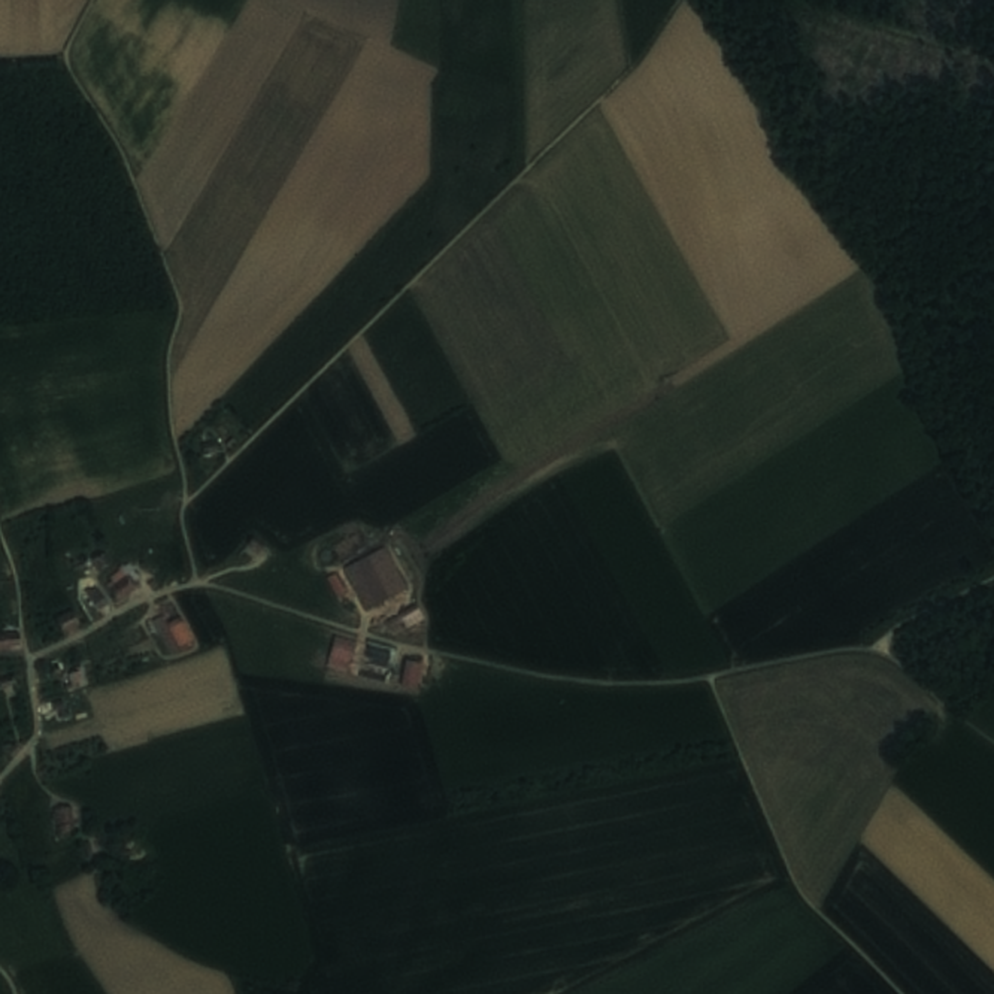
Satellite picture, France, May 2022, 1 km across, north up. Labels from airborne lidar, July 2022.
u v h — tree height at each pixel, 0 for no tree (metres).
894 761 21
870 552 0
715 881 0
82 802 0
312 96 0
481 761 0
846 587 0
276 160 0
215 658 0
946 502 0
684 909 0
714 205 0
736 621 0
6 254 15
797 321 0
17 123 15
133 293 16
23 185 15
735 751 0
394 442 0
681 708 0
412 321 0
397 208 0
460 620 0
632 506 0
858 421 0
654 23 0
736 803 0
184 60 0
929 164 20
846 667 0
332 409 0
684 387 0
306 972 0
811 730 0
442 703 0
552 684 0
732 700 0
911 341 25
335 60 0
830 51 0
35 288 16
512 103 0
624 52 0
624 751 0
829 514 0
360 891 0
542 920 0
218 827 0
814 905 0
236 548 0
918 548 0
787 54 28
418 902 0
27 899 0
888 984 0
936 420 25
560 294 0
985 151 23
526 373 0
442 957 0
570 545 0
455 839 0
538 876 0
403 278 0
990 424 22
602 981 0
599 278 0
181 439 6
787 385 0
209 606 0
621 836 0
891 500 0
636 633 0
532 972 0
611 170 0
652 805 0
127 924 15
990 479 25
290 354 0
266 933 0
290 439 0
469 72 0
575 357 0
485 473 0
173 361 0
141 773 0
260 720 0
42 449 0
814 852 0
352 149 0
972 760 0
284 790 0
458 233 0
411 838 0
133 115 0
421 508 0
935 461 0
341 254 0
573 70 0
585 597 0
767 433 0
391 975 0
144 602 0
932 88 26
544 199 0
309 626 0
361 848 0
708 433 0
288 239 0
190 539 0
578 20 0
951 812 0
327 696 0
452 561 0
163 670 0
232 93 0
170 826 0
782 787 0
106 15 0
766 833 0
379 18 0
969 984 0
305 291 0
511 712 0
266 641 0
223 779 0
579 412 0
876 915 0
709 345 0
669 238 0
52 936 0
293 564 0
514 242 0
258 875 0
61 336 0
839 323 0
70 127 15
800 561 0
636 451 0
